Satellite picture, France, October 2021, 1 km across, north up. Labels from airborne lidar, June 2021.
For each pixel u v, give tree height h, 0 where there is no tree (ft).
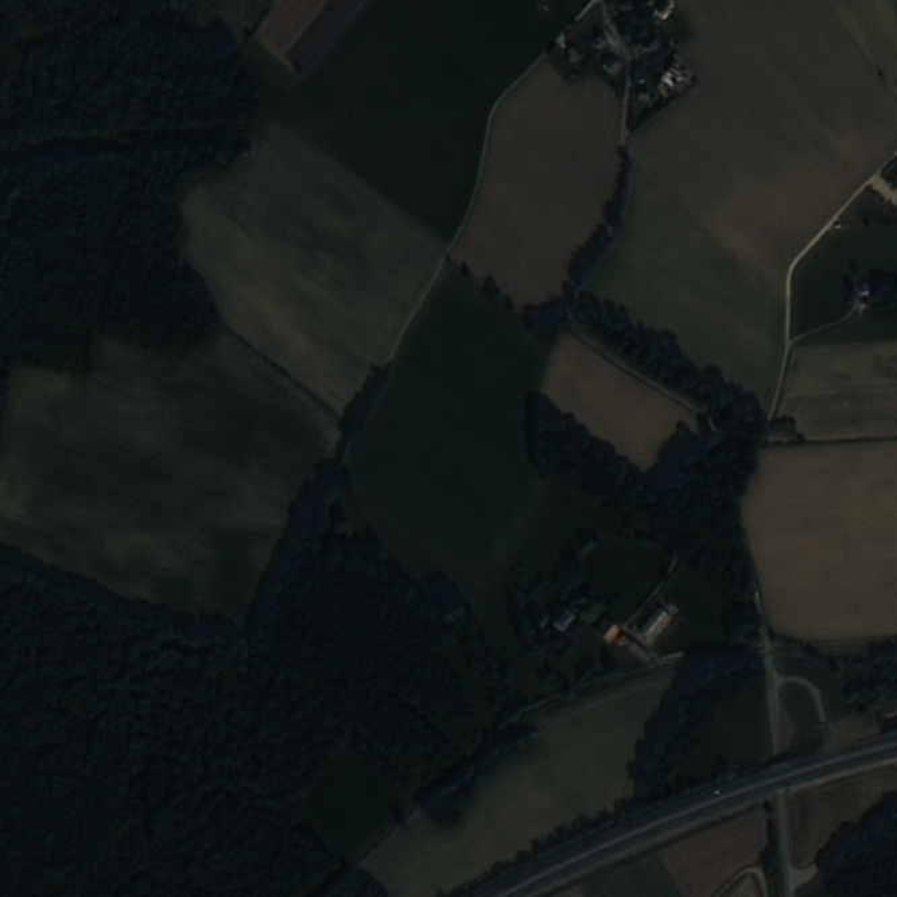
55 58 79
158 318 81
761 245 0
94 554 0
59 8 68
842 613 0
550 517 0
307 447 0
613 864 0
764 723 0
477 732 55
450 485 0
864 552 0
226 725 82
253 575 0
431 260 0
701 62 0
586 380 0
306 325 0
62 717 65
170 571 0
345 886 37
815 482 0
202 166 54
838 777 0
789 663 0
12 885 70
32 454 0
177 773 77
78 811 80
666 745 66
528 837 0
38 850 91
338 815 0
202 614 0
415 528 0
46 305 87
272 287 0
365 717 75
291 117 0
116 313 77
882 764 0
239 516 0
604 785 0
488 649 77
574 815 0
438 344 0
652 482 0
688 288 0
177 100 87
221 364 0
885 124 0
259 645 66
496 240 0
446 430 0
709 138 0
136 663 85
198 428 0
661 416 0
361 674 83
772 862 37
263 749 88
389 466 0
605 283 0
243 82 91
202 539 0
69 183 75
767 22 0
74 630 73
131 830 76
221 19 0
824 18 0
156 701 81
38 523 0
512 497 0
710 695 73
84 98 86
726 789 0
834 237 0
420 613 86
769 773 0
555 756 0
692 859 0
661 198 0
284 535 0
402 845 0
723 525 84
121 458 0
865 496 0
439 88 0
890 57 0
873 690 24
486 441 0
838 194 0
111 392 0
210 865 77
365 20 0
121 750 97
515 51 0
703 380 38
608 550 0
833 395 0
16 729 87
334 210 0
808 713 0
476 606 0
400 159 0
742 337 0
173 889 64
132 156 62
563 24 0
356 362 0
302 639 76
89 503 0
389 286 0
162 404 0
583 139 0
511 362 0
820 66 0
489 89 0
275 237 0
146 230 82
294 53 0
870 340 0
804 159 0
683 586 0
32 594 75
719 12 0
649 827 0
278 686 74
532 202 0
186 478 0
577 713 0
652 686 0
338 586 70
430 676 86
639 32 43
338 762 0
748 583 66
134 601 0
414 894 0
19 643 82
